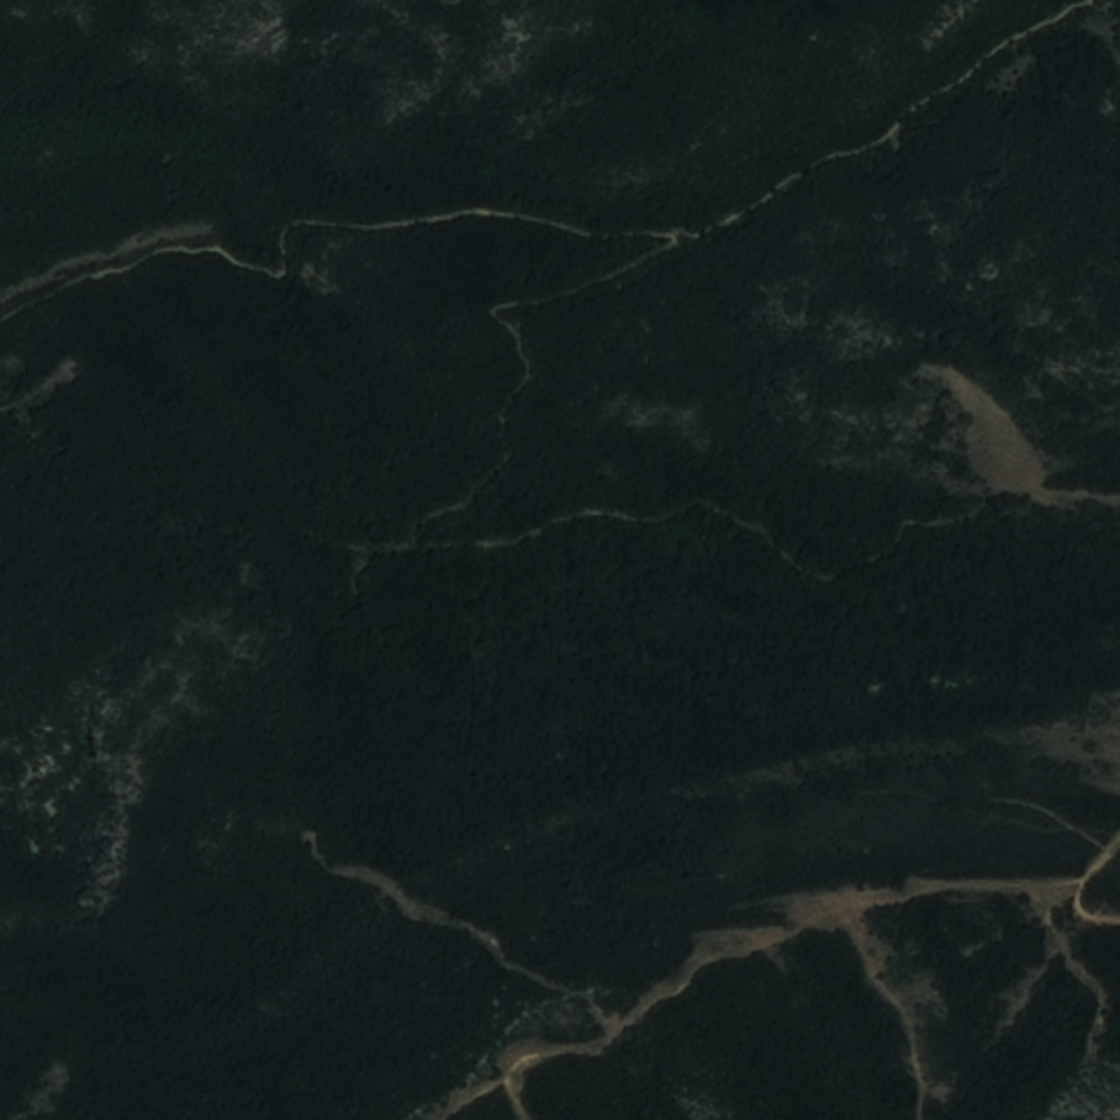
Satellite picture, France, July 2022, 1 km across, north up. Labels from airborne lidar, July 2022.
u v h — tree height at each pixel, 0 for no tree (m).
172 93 13
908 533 7
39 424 10
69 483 7
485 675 10
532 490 6
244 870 8
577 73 14
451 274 9
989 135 7
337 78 6
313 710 10
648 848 6
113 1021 8
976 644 8
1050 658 6
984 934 9
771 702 7
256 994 6
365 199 12
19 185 9
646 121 9
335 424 11
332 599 8
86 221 9
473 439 9
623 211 10
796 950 7
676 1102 6
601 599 7
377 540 9
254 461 11
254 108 8
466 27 6
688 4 9
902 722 9
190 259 6
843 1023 7
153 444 10
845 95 6
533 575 9
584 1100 6
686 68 8
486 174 13
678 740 10
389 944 6
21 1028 7
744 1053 9
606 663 12
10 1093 7
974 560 7
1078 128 8
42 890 10
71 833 6
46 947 6
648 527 8
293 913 7
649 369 6
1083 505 6
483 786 7
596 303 8
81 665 7
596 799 7
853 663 6
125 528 10
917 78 6
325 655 14
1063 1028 8
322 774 13
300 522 8
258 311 7
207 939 7
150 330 5
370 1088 5
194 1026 6
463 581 11
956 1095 7
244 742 8
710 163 9
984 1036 6
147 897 8
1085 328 5
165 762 6
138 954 6
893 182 9
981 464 0
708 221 9
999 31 7
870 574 7
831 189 9
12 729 6
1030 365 6
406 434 8
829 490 7
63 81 12
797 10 8
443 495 6
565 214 11
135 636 5
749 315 6
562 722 6
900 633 7
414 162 7
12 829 7
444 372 8
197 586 8
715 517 6
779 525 8
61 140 8
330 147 7
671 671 8
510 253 10
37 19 7
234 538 6
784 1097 11
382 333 5
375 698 11
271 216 7
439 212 7
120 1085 6
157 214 7
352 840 6
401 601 7
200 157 8
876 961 0
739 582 7
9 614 8
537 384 6
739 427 8
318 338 12
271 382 8
